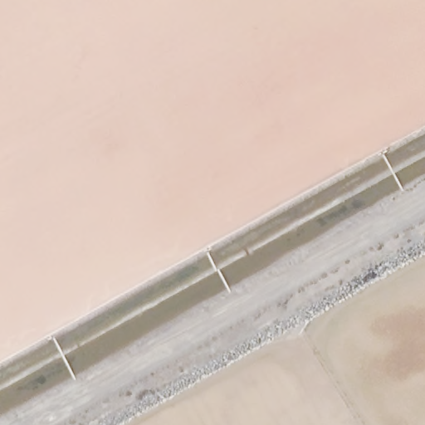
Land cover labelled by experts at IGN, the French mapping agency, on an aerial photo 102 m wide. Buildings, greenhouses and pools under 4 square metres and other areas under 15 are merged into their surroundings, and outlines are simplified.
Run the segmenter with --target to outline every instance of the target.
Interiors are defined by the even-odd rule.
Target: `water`
[[[402,184],[410,183],[425,174],[425,158],[397,173]]]
[[[227,284],[236,286],[246,277],[261,272],[262,269],[271,266],[272,262],[286,256],[287,252],[314,241],[315,237],[329,231],[335,224],[354,216],[360,209],[374,206],[380,199],[397,191],[397,186],[390,176],[354,198],[335,206],[334,209],[320,214],[312,221],[305,222],[294,231],[287,232],[286,236],[261,247],[254,254],[249,252],[249,246],[271,236],[272,232],[279,231],[299,217],[324,206],[340,194],[357,188],[367,179],[374,178],[375,174],[385,171],[387,168],[379,158],[380,154],[387,154],[393,166],[425,149],[425,0],[0,0],[0,383],[20,374],[22,370],[32,367],[40,360],[56,354],[50,340],[53,335],[58,337],[61,349],[65,349],[68,345],[75,344],[76,340],[81,340],[86,335],[93,334],[95,330],[115,322],[121,315],[128,314],[139,305],[156,299],[199,272],[206,271],[211,266],[208,259],[203,256],[204,252],[211,251],[217,264],[237,252],[244,252],[246,257],[222,269]]]
[[[65,382],[70,377],[63,362],[56,360],[35,374],[28,375],[27,379],[20,380],[0,392],[0,415],[32,400],[33,397],[55,387],[58,383]]]
[[[269,345],[266,350],[256,352],[239,364],[232,365],[227,372],[199,383],[198,387],[179,395],[171,402],[164,403],[153,412],[146,413],[144,417],[133,420],[129,425],[425,425],[425,257],[403,267],[402,271],[388,276],[377,286],[365,289],[359,296],[347,300],[337,309],[330,309],[327,314],[310,322],[305,327],[304,335],[299,339]]]
[[[118,329],[96,339],[95,342],[66,355],[73,372],[85,372],[91,365],[98,364],[123,347],[128,347],[134,340],[148,334],[159,325],[166,324],[199,302],[211,299],[224,291],[219,277],[212,274],[196,286],[179,292],[178,296],[164,300],[153,309],[146,310],[144,314],[128,320]]]

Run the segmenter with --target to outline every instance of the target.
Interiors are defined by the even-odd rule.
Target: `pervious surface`
[[[128,314],[121,315],[115,322],[95,330],[93,334],[86,335],[81,340],[76,340],[75,344],[68,345],[65,349],[61,349],[58,337],[53,335],[50,340],[56,354],[40,360],[32,367],[22,370],[20,374],[0,383],[0,392],[20,380],[27,379],[28,375],[35,374],[56,360],[63,362],[70,377],[65,382],[58,383],[55,387],[33,397],[32,400],[0,415],[0,425],[129,425],[133,420],[144,417],[146,413],[153,412],[164,403],[171,402],[179,395],[198,387],[199,383],[227,372],[232,365],[239,364],[256,352],[266,350],[269,345],[299,339],[304,335],[305,327],[310,322],[327,314],[330,309],[337,309],[347,300],[359,296],[365,289],[377,286],[388,276],[402,271],[403,267],[425,257],[425,174],[410,183],[402,184],[397,173],[425,158],[425,149],[393,166],[387,154],[380,154],[379,158],[387,168],[385,171],[375,174],[374,178],[367,179],[357,188],[340,194],[324,206],[299,217],[279,231],[272,232],[271,236],[249,246],[249,252],[254,254],[261,247],[286,236],[287,232],[294,231],[305,222],[312,221],[320,214],[334,209],[335,206],[354,198],[390,176],[397,186],[397,191],[380,199],[374,206],[360,209],[354,216],[335,224],[329,231],[315,237],[314,241],[287,252],[286,256],[272,262],[271,266],[262,269],[261,272],[246,277],[236,286],[227,284],[222,269],[246,257],[244,252],[237,252],[217,264],[211,251],[204,252],[203,256],[208,259],[211,266],[206,271],[199,272],[156,299],[139,305]],[[166,324],[159,325],[148,334],[134,340],[128,347],[123,347],[98,364],[91,365],[85,372],[73,372],[66,355],[95,342],[96,339],[118,329],[128,320],[144,314],[146,310],[153,309],[164,300],[178,296],[179,292],[196,286],[212,274],[219,277],[224,291],[211,299],[199,302]]]

